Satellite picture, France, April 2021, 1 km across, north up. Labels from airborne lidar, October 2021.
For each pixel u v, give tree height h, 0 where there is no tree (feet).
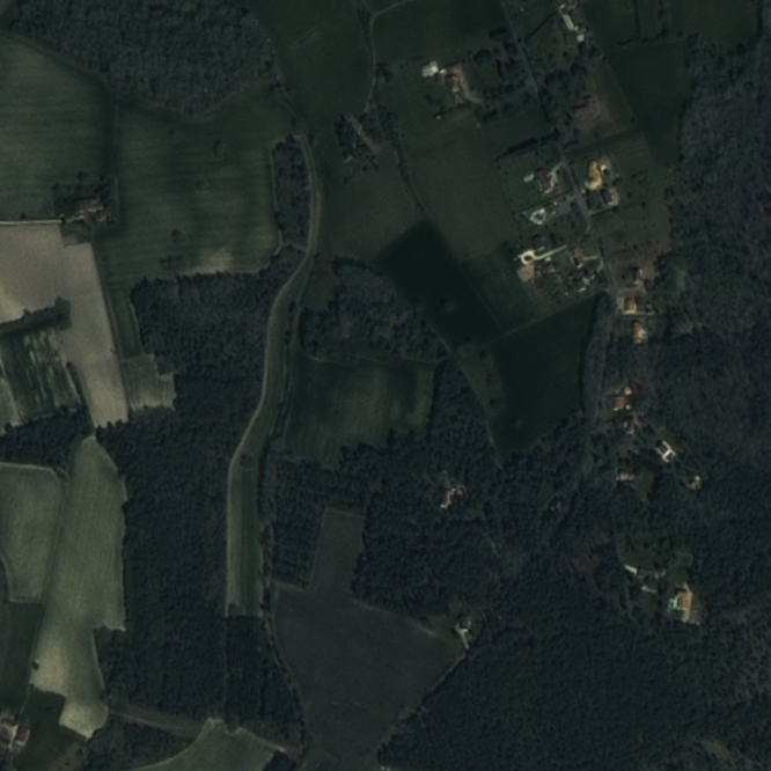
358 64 0
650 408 75
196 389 73
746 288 66
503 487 54
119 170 0
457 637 38
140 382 0
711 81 27
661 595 30
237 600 0
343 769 0
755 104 31
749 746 47
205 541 49
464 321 0
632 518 55
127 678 39
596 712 42
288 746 21
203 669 63
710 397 65
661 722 43
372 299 58
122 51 74
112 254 0
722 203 45
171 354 33
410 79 0
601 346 58
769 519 59
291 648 0
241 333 46
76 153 0
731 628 40
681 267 67
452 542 59
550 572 77
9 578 0
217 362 26
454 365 57
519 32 0
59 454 39
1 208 0
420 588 61
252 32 76
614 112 0
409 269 0
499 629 58
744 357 76
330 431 0
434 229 0
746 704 36
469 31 0
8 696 0
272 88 24
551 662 68
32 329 0
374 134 27
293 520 57
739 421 68
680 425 73
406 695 0
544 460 32
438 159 0
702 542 47
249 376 40
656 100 0
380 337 51
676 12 0
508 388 0
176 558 41
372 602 39
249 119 0
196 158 0
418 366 0
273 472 64
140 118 0
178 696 44
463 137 0
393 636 0
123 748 25
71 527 0
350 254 0
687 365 66
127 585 28
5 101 0
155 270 0
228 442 24
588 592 77
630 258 45
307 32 0
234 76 74
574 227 18
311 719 0
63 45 63
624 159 0
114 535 0
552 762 45
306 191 25
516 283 0
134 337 0
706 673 52
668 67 0
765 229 30
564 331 0
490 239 0
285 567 43
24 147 0
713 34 0
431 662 0
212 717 26
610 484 47
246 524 0
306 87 0
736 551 33
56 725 0
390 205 0
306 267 0
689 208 19
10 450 45
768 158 33
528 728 46
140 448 36
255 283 43
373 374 0
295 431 0
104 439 36
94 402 0
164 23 54
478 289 0
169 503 35
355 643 0
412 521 51
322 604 0
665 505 63
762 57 41
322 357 50
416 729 49
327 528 0
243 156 0
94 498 0
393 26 0
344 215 0
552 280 23
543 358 0
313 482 59
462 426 41
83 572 0
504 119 21
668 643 49
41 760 0
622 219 0
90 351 0
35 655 0
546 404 0
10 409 0
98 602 0
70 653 0
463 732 59
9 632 0
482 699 60
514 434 0
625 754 37
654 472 24
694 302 70
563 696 54
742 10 0
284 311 0
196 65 56
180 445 37
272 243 0
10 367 0
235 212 0
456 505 40
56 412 0
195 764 0
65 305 35
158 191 0
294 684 26
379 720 0
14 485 0
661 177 0
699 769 24
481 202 0
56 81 0
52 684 0
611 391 55
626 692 58
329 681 0
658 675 47
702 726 38
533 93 33
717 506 62
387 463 59
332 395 0
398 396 0
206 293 74
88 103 0
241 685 43
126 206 0
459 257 0
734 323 58
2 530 0
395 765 38
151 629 29
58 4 63
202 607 41
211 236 0
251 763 0
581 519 38
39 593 0
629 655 53
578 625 73
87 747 20
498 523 61
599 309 49
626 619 21
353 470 48
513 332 0
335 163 0
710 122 47
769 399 67
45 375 0
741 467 67
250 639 42
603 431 60
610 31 0
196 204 0
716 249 51
